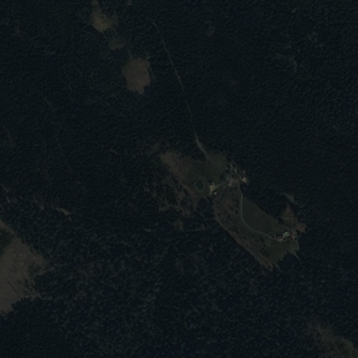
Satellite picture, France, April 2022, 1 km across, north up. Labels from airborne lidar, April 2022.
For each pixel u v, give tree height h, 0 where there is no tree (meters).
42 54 18
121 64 31
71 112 24
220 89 30
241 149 29
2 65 20
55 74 26
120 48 0
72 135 26
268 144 30
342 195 25
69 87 22
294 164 26
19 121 20
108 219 25
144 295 39
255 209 0
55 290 11
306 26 26
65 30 24
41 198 22
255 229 0
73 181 24
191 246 19
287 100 26
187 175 0
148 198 13
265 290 27
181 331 16
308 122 26
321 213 23
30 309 19
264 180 29
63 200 21
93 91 10
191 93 27
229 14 30
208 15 29
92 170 25
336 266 23
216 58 31
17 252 0
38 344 29
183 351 27
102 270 40
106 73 31
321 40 20
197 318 9
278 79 26
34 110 23
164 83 29
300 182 25
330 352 12
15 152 18
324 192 26
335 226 27
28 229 29
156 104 30
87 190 20
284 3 21
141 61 0
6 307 0
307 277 14
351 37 22
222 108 28
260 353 11
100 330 32
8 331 28
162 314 15
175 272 18
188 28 29
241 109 27
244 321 16
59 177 24
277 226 0
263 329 9
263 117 26
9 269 0
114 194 18
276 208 30
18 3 29
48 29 29
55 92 22
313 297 29
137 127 23
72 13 21
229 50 28
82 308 44
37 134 23
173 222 12
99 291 36
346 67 28
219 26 28
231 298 14
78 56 31
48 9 24
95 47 24
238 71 30
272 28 16
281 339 9
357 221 28
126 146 13
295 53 16
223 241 27
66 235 23
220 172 0
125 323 28
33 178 22
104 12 30
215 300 30
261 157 29
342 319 25
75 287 20
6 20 39
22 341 22
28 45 20
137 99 24
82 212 22
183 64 27
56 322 12
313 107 20
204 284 26
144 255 41
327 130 19
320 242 27
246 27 19
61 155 25
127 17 37
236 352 12
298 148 26
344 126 20
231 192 10
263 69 30
